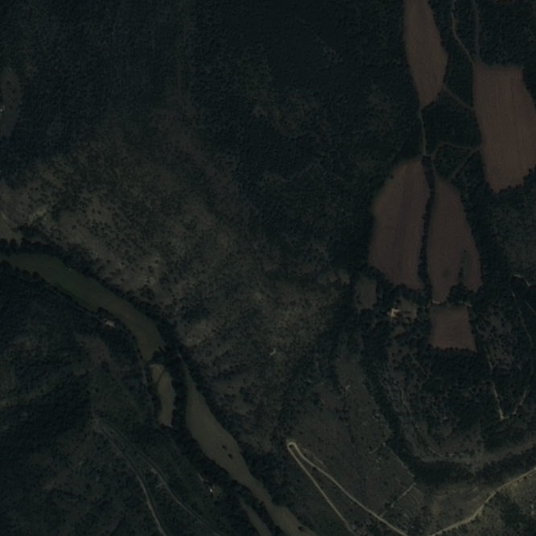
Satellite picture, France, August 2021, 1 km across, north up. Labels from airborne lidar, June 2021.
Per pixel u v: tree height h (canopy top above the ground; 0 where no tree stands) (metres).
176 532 6
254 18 6
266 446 0
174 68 5
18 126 8
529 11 7
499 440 8
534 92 14
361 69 9
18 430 9
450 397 9
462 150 5
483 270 8
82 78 8
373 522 8
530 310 14
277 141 8
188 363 19
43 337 6
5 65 7
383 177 7
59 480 0
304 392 8
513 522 8
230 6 7
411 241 0
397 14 6
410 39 0
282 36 6
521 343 14
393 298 13
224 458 0
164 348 0
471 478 7
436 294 0
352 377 0
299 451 0
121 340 15
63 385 12
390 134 6
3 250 25
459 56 7
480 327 7
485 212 10
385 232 0
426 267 8
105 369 8
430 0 7
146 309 21
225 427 10
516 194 9
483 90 0
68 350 9
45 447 7
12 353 5
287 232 6
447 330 0
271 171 9
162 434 12
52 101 7
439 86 0
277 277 7
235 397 7
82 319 11
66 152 6
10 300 7
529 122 0
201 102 8
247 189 8
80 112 6
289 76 6
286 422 6
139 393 9
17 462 8
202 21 7
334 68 8
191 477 7
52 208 7
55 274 0
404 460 9
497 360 6
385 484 8
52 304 7
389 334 8
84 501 8
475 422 7
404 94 9
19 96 0
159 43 6
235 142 8
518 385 10
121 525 8
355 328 7
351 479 0
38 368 12
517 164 0
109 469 5
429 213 9
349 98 9
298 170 13
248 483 0
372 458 0
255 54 6
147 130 6
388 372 8
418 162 0
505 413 8
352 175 9
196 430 0
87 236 0
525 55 9
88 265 13
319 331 6
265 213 8
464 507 0
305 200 6
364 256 11
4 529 8
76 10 8
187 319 6
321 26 11
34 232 12
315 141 9
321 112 7
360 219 7
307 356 7
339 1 10
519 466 6
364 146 7
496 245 9
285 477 9
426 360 7
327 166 9
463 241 0
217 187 0
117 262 0
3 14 6
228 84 8
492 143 0
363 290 0
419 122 8
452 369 11
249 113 7
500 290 9
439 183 0
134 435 9
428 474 8
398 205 0
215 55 8
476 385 13
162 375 0
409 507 0
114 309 0
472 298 11
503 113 0
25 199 0
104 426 0
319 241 7
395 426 7
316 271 7
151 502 0
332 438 0
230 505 15
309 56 7
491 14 8
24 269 0
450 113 6
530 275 7
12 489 6
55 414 11
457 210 0
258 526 0
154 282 0
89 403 8
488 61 9
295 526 0
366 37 8
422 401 9
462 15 8
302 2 8
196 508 11
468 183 8
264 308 0
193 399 0
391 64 7
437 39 0
